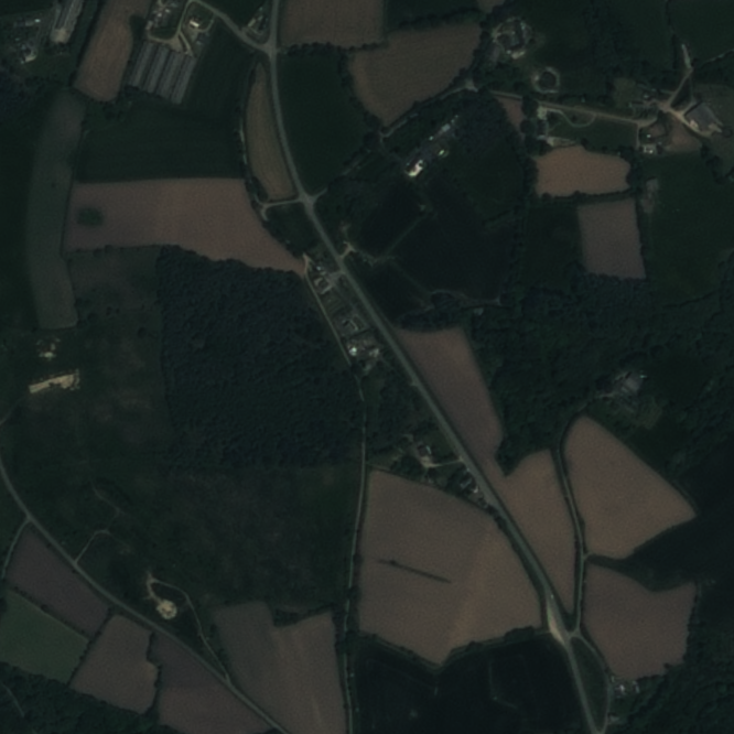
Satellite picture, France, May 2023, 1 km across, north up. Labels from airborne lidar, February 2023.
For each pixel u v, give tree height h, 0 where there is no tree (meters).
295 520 0
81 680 0
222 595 0
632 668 0
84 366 0
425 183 0
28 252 0
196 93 0
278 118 0
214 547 0
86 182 0
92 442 0
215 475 0
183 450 7
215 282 20
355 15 0
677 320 11
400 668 0
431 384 0
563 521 0
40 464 0
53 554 0
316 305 0
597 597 0
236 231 0
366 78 0
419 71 0
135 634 0
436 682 0
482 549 0
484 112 18
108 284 0
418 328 21
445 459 8
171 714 0
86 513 0
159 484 0
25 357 0
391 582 0
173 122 0
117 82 0
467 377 0
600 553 0
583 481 0
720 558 0
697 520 0
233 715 0
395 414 8
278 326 16
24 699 11
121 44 0
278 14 0
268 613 0
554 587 0
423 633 0
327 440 21
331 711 0
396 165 10
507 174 0
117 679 0
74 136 0
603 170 0
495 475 0
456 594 0
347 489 0
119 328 0
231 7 0
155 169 0
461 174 0
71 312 0
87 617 0
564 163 0
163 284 9
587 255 0
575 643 0
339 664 0
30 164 0
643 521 0
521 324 21
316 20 0
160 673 6
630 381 0
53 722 8
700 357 7
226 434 9
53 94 0
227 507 0
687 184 0
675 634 0
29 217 0
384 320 0
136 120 0
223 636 0
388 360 7
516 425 15
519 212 15
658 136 0
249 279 18
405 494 0
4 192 0
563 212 0
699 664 16
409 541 0
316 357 13
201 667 0
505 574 0
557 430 10
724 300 12
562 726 0
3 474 0
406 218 0
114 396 0
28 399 0
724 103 0
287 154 0
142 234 0
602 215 0
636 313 26
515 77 7
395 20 0
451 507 0
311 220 0
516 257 14
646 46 0
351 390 13
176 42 0
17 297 0
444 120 7
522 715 0
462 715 0
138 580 0
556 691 0
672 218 0
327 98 0
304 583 0
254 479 0
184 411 12
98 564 0
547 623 0
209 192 0
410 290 0
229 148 0
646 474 0
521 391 22
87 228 0
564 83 0
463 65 0
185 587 0
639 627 0
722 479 0
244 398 11
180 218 0
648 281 9
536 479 0
